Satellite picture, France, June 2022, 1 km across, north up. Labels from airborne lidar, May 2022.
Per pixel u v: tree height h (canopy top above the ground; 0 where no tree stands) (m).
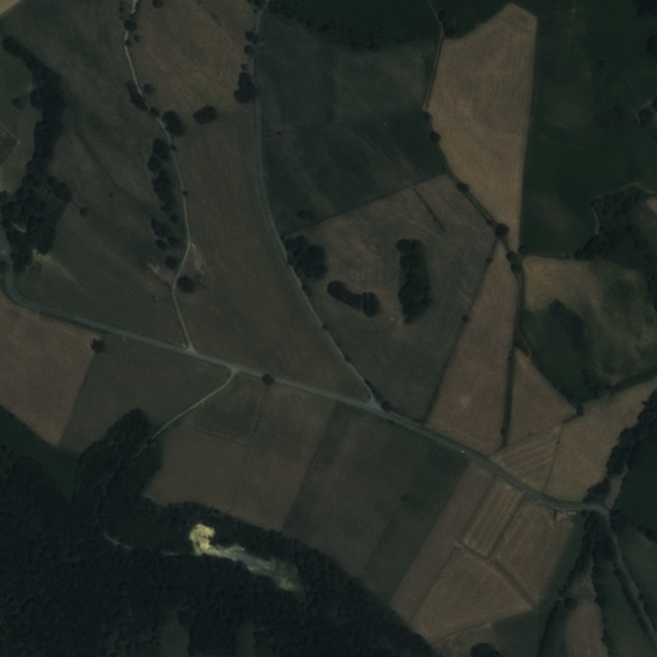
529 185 0
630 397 0
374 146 0
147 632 14
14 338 0
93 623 14
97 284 0
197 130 0
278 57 0
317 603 21
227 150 0
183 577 20
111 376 0
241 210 0
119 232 0
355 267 0
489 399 0
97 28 0
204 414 0
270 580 13
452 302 0
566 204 0
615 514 19
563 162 0
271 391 0
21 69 0
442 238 0
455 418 0
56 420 0
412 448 0
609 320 0
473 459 0
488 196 0
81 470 9
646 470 0
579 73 0
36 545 13
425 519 0
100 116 0
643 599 12
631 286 0
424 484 0
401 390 0
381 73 0
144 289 0
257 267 0
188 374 0
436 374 0
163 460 0
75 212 0
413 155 0
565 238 0
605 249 12
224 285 0
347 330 0
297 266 8
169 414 0
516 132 0
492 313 0
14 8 0
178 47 0
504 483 0
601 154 0
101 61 0
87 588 19
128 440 11
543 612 0
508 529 0
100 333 0
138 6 7
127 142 0
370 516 0
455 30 14
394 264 0
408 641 9
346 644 23
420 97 0
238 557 0
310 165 0
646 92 0
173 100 0
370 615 12
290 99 0
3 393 0
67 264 0
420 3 0
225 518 11
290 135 0
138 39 9
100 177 0
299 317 0
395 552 0
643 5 14
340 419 0
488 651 19
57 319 0
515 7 0
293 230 0
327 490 0
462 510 0
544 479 0
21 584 23
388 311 0
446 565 0
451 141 0
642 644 0
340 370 0
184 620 19
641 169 0
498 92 0
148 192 0
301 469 0
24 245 16
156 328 0
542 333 0
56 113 16
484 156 0
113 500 15
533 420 0
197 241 0
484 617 0
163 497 0
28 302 0
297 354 0
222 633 20
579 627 0
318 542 0
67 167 0
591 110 0
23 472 13
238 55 0
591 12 0
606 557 13
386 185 0
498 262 0
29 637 13
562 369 0
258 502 0
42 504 13
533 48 0
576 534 0
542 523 0
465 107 0
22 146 0
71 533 16
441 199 0
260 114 0
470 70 0
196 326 0
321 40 0
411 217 0
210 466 0
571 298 0
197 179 0
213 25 0
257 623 10
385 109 0
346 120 0
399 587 0
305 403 0
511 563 0
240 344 0
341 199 0
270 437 0
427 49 0
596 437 0
